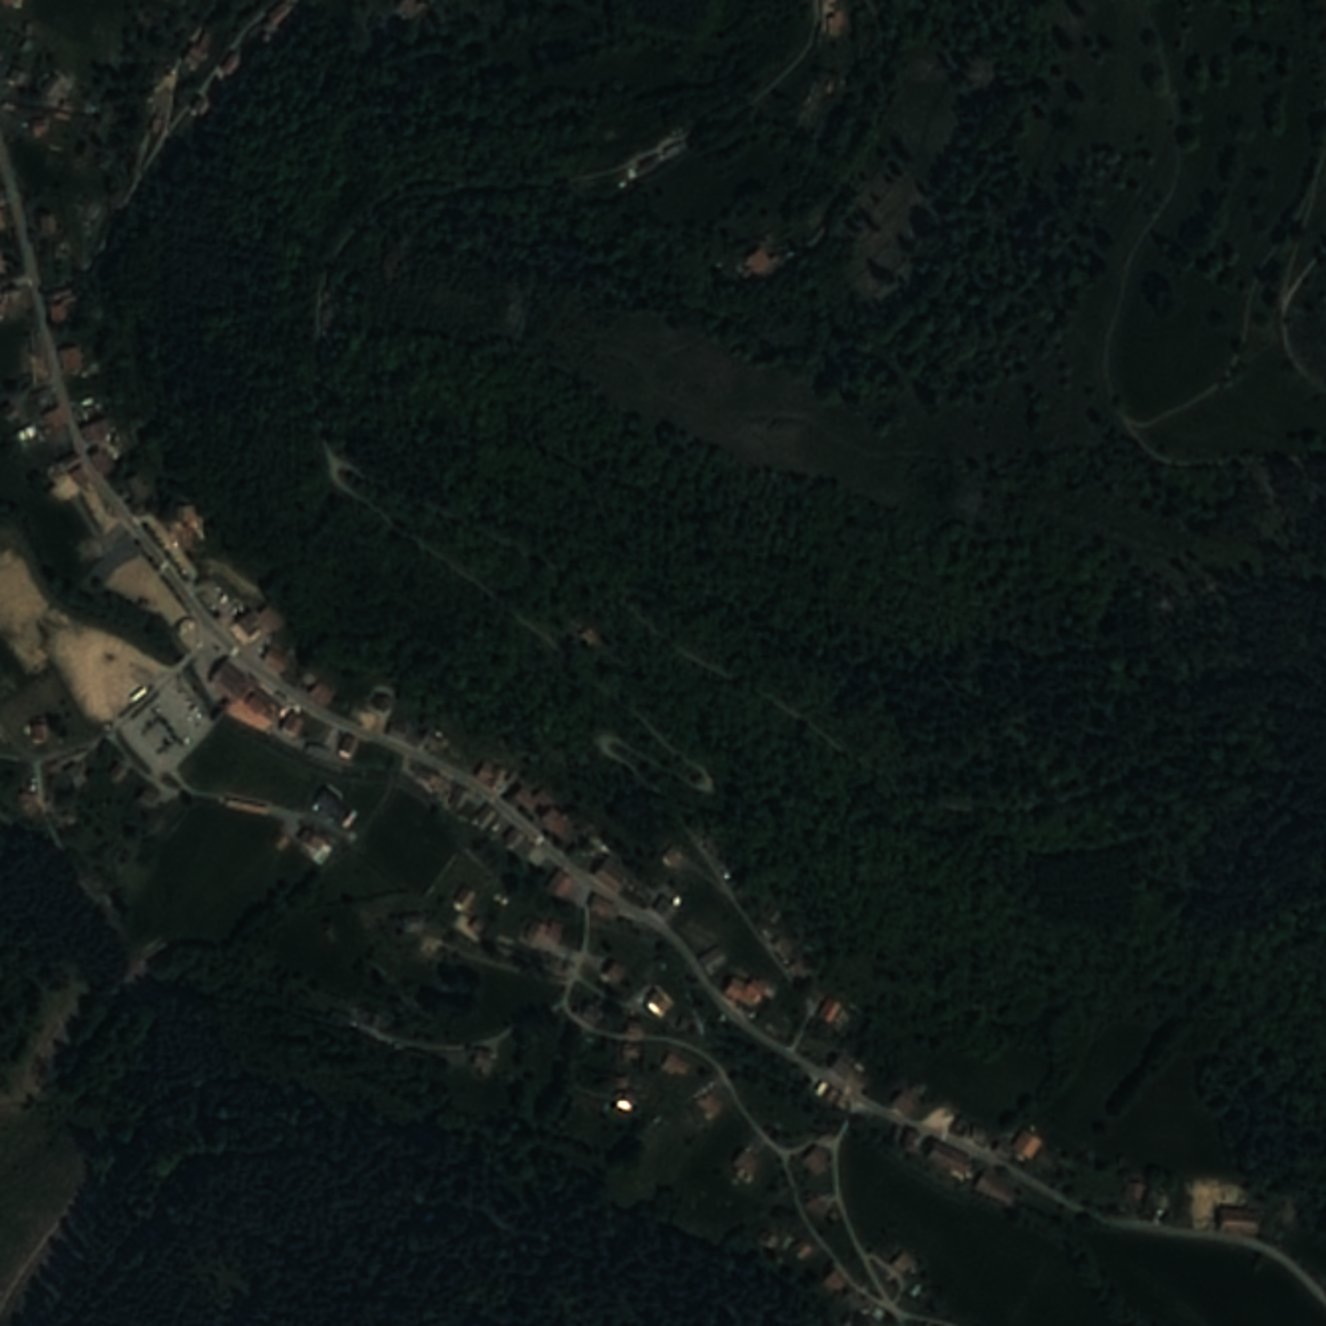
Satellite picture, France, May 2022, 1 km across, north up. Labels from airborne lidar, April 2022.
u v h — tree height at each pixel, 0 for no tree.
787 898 17
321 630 10
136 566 0
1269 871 33
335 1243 36
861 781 15
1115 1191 0
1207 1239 0
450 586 15
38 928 31
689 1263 27
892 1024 11
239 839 0
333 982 0
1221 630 32
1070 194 21
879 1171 0
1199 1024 19
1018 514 7
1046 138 0
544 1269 35
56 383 0
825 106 0
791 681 8
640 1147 16
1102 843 11
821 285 10
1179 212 0
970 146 6
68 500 0
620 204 5
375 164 17
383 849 0
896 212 0
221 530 16
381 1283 31
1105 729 22
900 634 11
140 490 0
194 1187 26
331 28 11
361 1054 17
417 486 18
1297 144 0
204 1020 23
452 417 7
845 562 8
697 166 0
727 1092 0
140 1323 26
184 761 0
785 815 16
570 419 12
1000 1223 0
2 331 0
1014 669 10
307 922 0
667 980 0
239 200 18
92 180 0
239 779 0
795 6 8
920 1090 7
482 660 14
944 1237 0
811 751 13
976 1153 0
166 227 17
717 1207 0
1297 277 0
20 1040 6
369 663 16
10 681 0
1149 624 24
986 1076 0
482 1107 0
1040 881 18
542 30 9
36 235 6
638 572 10
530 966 19
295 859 0
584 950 0
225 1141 33
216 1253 27
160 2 0
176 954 15
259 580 0
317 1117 23
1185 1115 0
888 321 14
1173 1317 0
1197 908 30
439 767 0
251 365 16
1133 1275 0
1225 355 0
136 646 0
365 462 19
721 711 16
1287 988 9
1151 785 23
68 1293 30
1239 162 12
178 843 0
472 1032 0
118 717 0
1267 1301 0
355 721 0
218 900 0
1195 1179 0
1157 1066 14
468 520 13
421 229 10
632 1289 34
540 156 14
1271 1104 27
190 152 17
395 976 0
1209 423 0
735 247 6
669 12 30
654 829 27
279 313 18
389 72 18
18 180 0
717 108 12
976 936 12
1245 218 0
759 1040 0
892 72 12
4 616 0
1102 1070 0
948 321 14
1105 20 0
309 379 7
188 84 7
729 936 0
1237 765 23
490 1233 29
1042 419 11
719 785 7
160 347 15
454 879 0
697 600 14
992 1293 0
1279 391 0
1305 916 11
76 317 5
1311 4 11
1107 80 0
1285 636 34
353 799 0
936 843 15
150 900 0
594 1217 32
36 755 0
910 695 25
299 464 12
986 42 22
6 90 0
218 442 16
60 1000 0
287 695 0
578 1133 0
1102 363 0
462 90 13
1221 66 11
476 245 7
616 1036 0
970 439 0
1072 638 20
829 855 18
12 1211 0
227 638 0
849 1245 0
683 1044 0
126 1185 34
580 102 7
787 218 12
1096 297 0
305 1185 30
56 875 26
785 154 6
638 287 15
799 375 13
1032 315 9
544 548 9
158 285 19
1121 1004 10
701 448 11
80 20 0
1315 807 33
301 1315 31
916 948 14
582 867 0
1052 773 11
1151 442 0
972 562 11
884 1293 0
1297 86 0
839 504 7
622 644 15
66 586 12
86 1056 31
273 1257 30
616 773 7
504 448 15
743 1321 37
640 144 0
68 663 0
